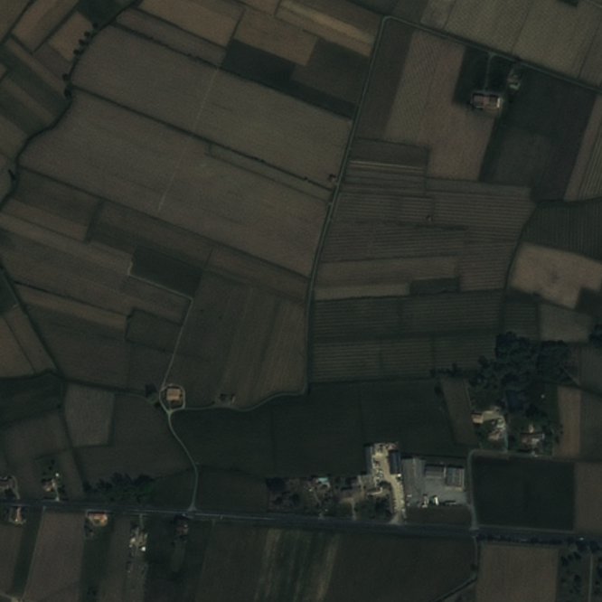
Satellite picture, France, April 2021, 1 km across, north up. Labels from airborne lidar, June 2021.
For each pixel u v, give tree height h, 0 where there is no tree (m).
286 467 0
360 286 0
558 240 0
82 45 12
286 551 0
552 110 0
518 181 0
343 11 0
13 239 0
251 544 0
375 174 0
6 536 0
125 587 0
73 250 0
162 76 0
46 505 0
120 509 0
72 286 0
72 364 0
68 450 0
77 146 0
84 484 0
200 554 0
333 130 0
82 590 0
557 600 0
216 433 0
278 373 0
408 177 0
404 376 0
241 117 0
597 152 0
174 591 0
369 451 0
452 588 0
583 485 0
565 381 13
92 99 0
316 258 0
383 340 0
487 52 0
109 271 0
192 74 0
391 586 0
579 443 0
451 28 0
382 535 0
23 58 0
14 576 0
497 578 0
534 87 0
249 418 0
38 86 0
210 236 0
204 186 0
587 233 0
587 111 0
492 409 0
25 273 0
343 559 0
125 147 0
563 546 8
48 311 0
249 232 0
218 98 0
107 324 0
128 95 0
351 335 0
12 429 0
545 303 0
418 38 0
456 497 0
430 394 0
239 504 0
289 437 0
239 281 0
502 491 0
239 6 0
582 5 0
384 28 0
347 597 0
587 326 0
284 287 0
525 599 0
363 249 0
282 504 14
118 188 0
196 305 0
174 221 0
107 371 0
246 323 0
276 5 0
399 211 0
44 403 0
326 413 0
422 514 0
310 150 0
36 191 0
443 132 0
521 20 0
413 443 0
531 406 0
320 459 0
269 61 0
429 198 0
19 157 0
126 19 0
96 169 0
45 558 0
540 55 0
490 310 0
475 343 0
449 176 0
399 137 0
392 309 0
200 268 0
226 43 0
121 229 0
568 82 0
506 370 20
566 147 0
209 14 0
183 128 0
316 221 0
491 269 0
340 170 0
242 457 0
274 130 0
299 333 0
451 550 0
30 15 0
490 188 0
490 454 0
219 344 0
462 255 0
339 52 0
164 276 0
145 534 6
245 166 0
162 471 0
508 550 0
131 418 0
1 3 0
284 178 0
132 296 0
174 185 0
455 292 6
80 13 0
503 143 0
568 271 0
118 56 0
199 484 0
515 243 0
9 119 0
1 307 0
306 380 0
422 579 0
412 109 0
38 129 0
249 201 0
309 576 0
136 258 0
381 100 0
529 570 0
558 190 0
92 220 0
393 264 0
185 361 0
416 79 0
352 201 0
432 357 0
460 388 0
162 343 0
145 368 0
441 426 0
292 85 0
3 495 8
